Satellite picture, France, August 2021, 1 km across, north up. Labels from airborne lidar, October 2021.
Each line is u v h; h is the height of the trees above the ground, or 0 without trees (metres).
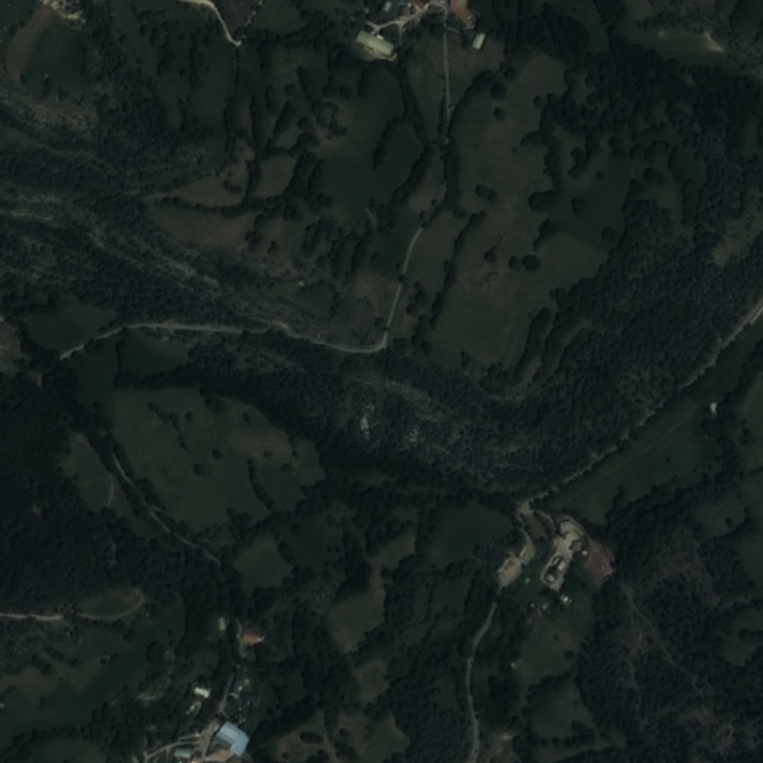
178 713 13
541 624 0
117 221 10
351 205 0
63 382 22
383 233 10
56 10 0
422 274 0
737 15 10
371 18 12
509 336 0
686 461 0
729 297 15
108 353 0
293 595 13
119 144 12
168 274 5
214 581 12
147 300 21
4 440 24
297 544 0
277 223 0
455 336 0
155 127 14
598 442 13
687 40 0
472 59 0
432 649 16
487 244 0
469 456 7
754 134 0
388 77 0
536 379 8
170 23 11
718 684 18
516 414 13
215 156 0
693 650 18
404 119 7
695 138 16
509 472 14
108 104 19
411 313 14
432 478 16
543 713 0
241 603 21
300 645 10
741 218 8
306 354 21
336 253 8
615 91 14
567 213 0
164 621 0
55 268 10
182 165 5
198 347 11
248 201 8
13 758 8
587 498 0
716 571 17
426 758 14
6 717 0
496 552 11
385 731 0
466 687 12
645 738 8
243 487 0
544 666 0
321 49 9
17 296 10
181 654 11
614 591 19
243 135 14
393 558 0
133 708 10
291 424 18
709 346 11
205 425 0
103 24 6
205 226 0
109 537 20
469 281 0
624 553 14
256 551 0
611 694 15
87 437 9
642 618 7
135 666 0
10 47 0
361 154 0
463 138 0
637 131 11
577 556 7
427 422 10
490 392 8
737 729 8
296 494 0
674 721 15
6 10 0
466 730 11
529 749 12
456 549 0
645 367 15
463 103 9
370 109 0
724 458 10
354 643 0
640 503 11
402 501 11
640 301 8
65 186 12
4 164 9
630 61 17
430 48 0
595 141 15
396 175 0
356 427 11
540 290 0
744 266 13
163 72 10
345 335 0
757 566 0
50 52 0
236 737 0
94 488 0
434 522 10
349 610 0
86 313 0
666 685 10
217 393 11
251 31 13
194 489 0
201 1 0
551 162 18
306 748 0
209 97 0
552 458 9
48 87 9
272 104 12
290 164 0
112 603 0
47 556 26
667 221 8
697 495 19
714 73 20
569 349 10
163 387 15
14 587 18
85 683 0
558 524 8
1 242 14
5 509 24
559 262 0
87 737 9
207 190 0
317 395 9
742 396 6
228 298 7
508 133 0
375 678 0
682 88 21
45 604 15
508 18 8
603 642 16
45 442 20
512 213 0
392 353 9
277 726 21
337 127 9
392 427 13
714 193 10
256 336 8
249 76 0
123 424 0
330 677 11
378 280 0
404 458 19
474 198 0
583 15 0
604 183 0
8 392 20
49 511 23
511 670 16
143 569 20
